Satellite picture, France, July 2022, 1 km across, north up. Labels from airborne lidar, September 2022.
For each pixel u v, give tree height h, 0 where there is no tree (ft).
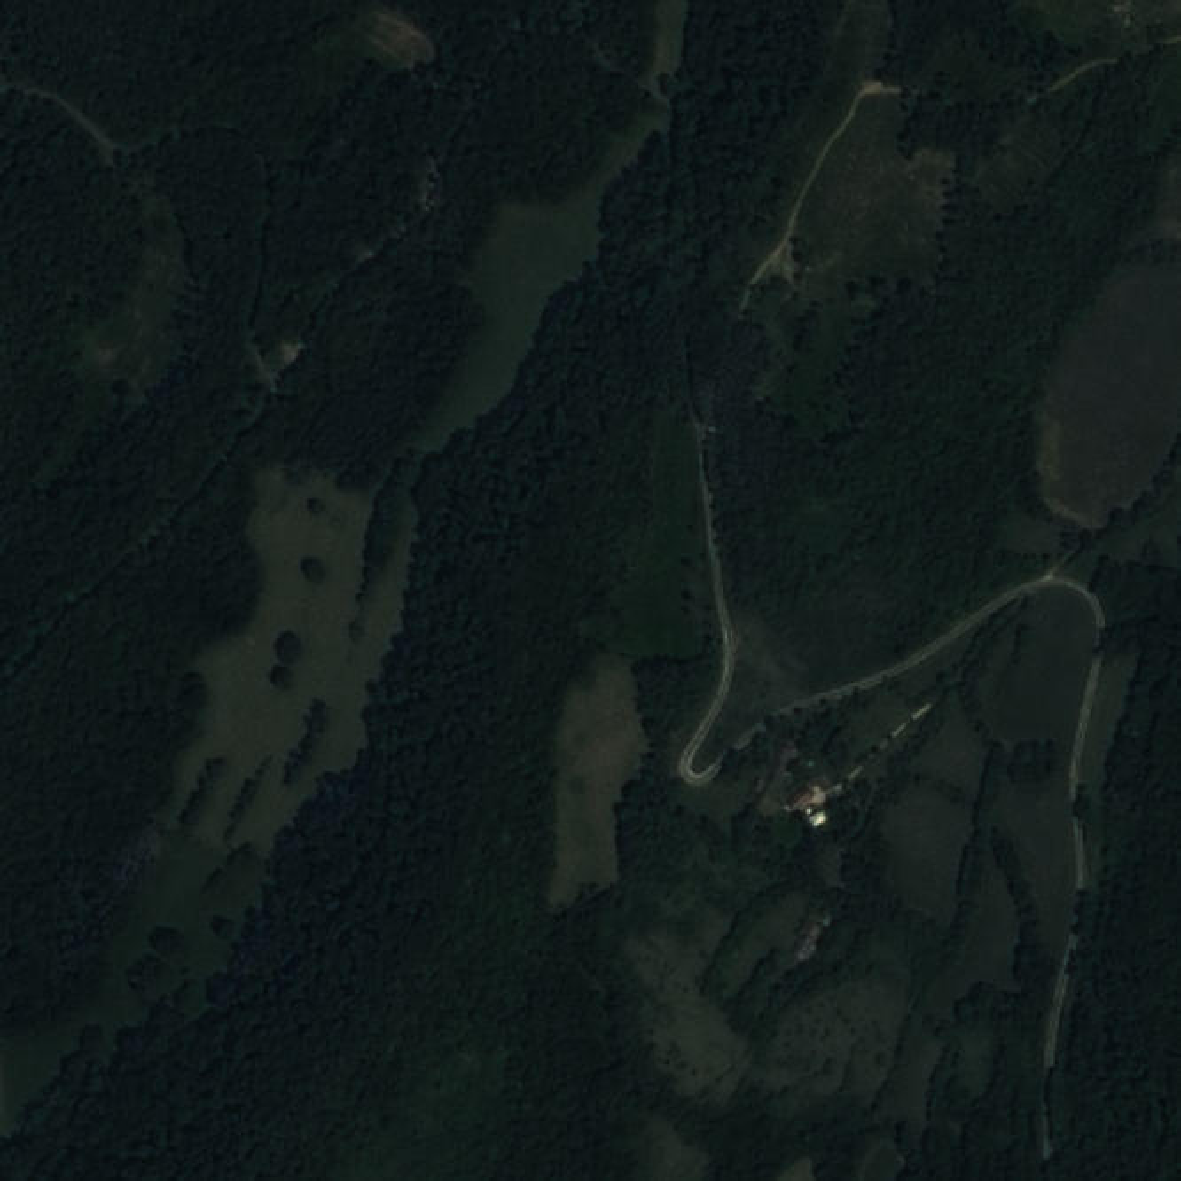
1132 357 0
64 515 74
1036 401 36
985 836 51
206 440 56
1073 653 0
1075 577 0
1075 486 0
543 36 73
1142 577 60
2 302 48
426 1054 36
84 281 54
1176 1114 43
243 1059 77
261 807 0
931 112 65
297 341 50
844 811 27
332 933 114
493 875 58
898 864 0
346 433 57
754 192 48
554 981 75
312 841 85
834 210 0
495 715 66
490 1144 37
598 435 62
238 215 65
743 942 38
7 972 78
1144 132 56
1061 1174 53
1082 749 0
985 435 43
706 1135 43
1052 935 0
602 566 31
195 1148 73
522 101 72
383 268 64
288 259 53
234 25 75
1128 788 55
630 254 74
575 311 87
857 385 66
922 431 50
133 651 67
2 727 50
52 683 52
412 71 0
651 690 54
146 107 51
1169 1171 41
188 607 75
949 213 58
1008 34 89
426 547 40
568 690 48
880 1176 0
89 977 94
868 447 59
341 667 0
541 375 66
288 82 58
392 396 66
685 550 0
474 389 0
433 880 83
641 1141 0
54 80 55
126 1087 80
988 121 64
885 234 0
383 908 92
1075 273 30
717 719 0
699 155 82
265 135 65
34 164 60
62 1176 80
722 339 62
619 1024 67
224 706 0
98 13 49
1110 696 0
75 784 73
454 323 88
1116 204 36
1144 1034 59
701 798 0
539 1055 68
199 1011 0
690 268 79
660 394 106
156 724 89
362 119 95
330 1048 73
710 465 45
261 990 76
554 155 68
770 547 17
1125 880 28
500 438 92
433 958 44
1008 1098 32
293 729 0
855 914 56
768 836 76
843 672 0
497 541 86
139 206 68
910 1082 0
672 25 0
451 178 83
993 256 61
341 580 0
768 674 0
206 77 57
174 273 0
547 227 0
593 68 45
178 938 56
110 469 89
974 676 51
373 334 57
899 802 24
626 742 0
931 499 40
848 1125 32
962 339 58
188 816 38
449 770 68
